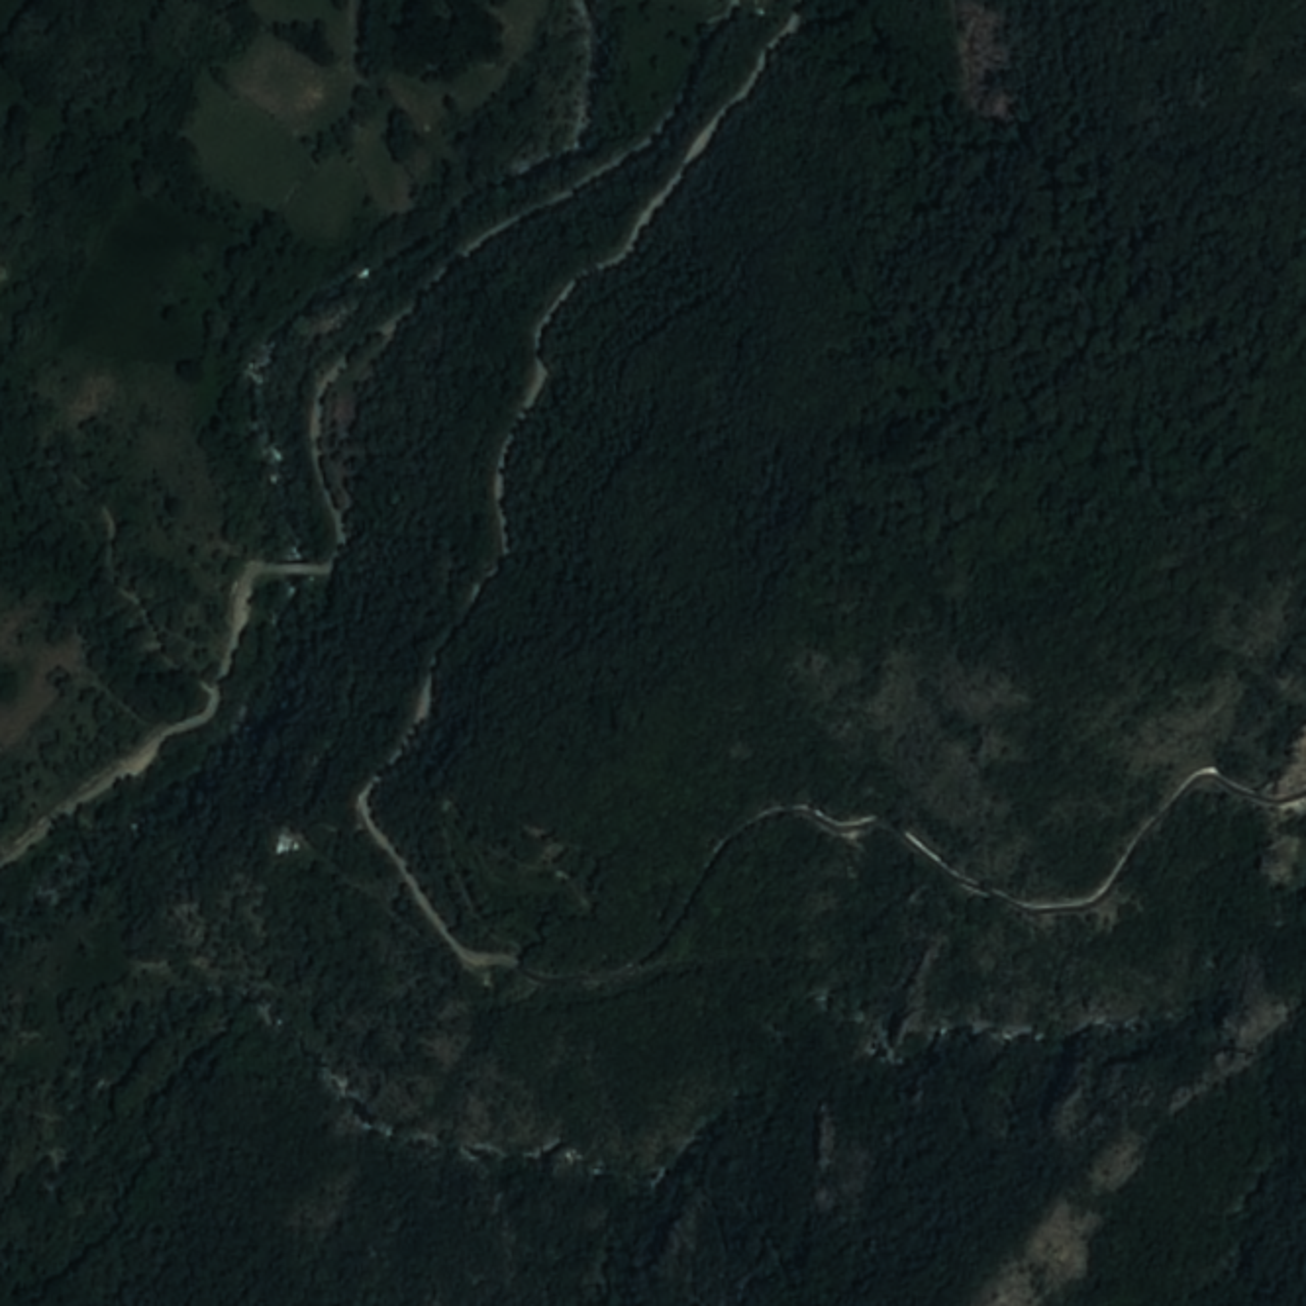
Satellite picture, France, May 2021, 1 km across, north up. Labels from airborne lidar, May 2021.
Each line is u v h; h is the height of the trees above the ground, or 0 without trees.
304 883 13
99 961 0
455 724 6
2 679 8
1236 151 13
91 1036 15
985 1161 6
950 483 18
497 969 8
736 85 11
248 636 14
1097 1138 6
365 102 12
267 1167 11
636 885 15
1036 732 9
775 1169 8
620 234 13
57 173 10
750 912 17
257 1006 11
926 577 8
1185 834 12
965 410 18
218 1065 16
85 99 18
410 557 11
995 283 16
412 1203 5
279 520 17
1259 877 21
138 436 6
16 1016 13
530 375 9
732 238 12
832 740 7
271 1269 7
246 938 10
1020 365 8
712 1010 13
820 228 11
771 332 15
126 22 20
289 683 15
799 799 9
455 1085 6
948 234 14
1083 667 9
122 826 14
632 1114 8
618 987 6
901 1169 10
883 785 14
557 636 18
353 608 11
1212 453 14
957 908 11
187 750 18
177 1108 15
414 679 10
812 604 10
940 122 15
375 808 7
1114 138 18
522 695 16
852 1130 9
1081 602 7
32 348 11
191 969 14
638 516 15
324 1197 7
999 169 18
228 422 25
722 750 10
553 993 6
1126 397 17
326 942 11
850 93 18
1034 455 18
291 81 0
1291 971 11
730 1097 12
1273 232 21
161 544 0
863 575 8
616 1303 14
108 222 21
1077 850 9
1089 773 8
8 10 0
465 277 11
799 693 8
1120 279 22
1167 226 16
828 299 18
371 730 12
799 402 13
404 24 8
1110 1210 11
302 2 0
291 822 9
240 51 8
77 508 19
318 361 7
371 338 12
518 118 9
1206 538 11
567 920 10
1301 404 7
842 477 14
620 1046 8
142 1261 14
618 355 6
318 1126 10
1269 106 8
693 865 16
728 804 10
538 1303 6
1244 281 16
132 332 0
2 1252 15
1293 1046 13
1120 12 12
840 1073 8
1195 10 13
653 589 15
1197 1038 20
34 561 8
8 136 15
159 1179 15
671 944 14
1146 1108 9
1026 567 7
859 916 8
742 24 14
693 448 17
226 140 0
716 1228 8
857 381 15
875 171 15
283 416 14
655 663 14
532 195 18
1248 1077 14
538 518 9
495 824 13
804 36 7
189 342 0
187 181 12
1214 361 14
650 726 12
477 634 11
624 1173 13
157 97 9
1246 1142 16
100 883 16
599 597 15
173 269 0
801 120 12
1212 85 6
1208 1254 10
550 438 16
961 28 12
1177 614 9
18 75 11
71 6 13
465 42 17
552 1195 8
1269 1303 19
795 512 10
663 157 15
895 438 18
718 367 10
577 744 15
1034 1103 6
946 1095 10
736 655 8
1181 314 20
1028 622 6
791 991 16
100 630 15
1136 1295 15
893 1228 11
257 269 20
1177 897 11
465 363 8
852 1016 11
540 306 8
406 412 8
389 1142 14
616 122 16
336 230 0
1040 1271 7
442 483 9
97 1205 11
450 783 13
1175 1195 12
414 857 7
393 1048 10
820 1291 17
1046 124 15
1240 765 8
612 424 7
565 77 11
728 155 8
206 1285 17
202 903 7
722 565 10
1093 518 13
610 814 16
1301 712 8
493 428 13
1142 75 10
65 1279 16
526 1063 7
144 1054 16
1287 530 6
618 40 18
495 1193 6
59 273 17
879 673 9
